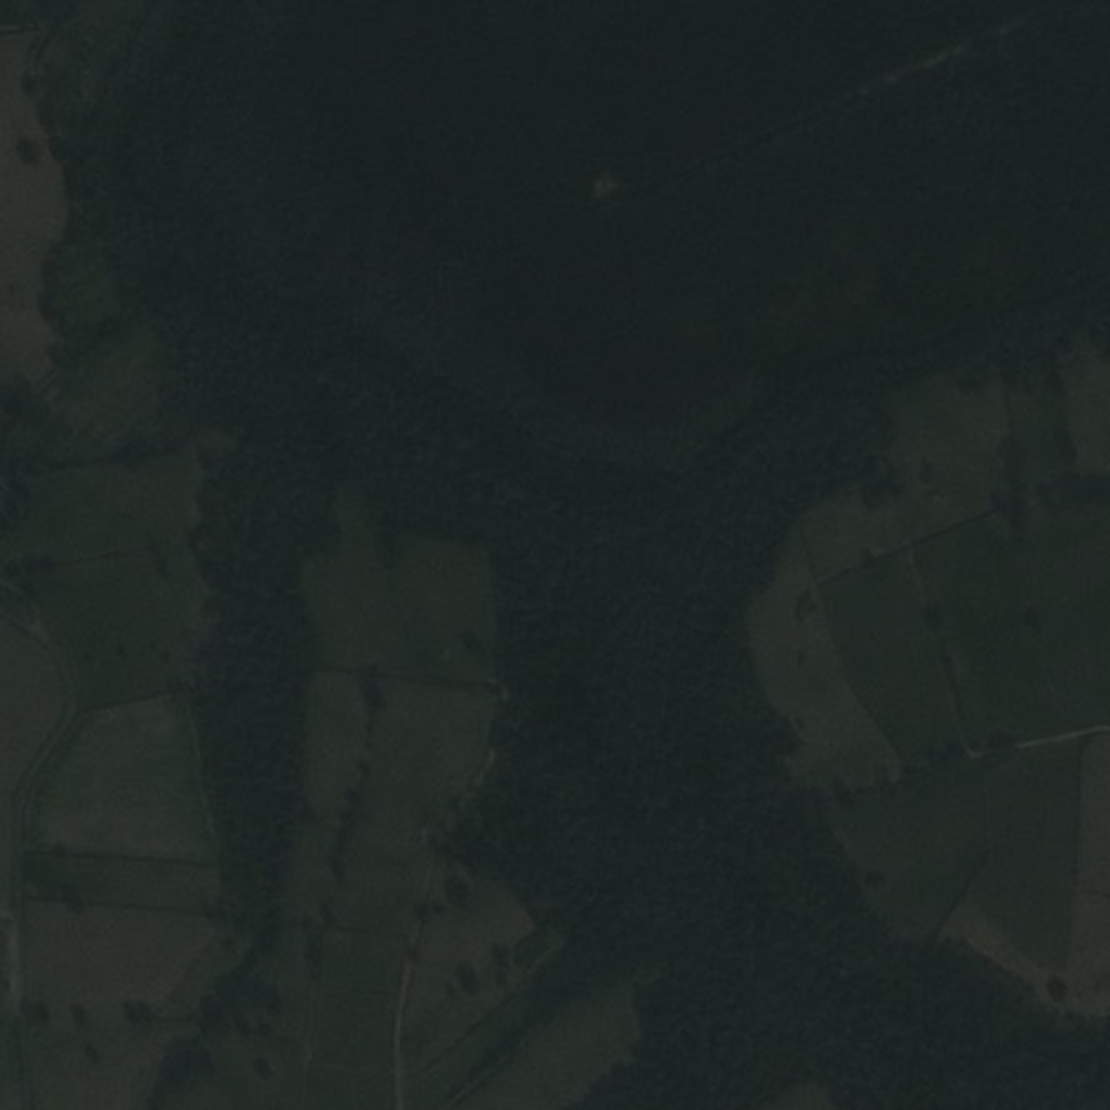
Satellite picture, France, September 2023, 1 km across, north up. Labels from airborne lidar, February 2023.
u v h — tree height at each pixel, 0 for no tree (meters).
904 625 0
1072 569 0
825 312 14
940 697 0
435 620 0
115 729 0
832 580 0
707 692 7
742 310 10
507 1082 0
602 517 21
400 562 0
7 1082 0
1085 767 0
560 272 8
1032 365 15
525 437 12
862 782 0
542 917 10
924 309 10
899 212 13
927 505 0
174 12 12
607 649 26
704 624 10
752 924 23
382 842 0
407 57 8
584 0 9
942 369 15
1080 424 0
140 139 16
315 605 0
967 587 0
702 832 18
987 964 6
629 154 11
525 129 11
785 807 21
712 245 9
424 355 17
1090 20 16
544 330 9
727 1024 26
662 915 31
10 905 0
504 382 19
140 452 15
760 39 11
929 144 11
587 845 22
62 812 0
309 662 15
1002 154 12
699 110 11
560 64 13
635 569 23
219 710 10
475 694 0
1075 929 0
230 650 17
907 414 0
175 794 0
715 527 27
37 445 0
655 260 11
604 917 25
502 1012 0
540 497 19
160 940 0
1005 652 0
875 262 12
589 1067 0
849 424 15
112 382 0
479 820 0
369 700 16
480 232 9
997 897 0
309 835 0
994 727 0
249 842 16
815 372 18
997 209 12
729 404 15
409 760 0
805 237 11
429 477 15
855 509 0
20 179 0
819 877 12
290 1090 0
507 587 15
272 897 17
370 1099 0
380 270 10
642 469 11
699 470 14
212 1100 0
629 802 10
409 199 13
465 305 8
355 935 0
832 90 7
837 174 12
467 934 0
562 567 28
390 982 0
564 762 27
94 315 0
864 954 14
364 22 10
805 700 0
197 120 12
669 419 16
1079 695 0
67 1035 0
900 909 0
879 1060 26
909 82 9
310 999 0
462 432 27
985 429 0
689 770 16
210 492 16
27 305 0
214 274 18
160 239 15
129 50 13
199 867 0
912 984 13
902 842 0
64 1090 0
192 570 0
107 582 0
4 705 0
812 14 8
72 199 12
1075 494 20
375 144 9
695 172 11
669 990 23
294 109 12
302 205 13
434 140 9
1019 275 10
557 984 16
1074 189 10
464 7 8
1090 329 10
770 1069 18
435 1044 0
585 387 10
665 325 8
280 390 22
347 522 0
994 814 0
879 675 0
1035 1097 23
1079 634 0
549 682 12
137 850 0
